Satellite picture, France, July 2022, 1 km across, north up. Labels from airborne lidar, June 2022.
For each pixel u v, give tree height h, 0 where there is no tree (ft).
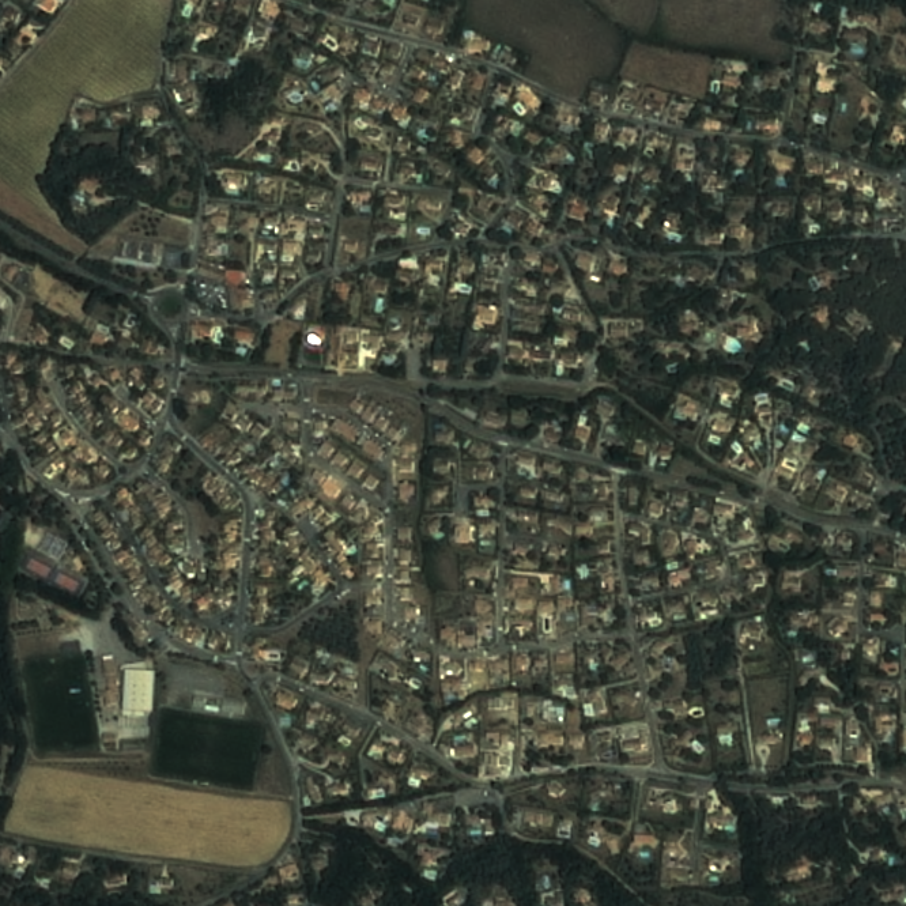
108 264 23
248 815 0
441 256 31
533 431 44
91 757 0
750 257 29
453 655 0
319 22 31
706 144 31
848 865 26
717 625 39
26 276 0
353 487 0
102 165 38
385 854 36
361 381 0
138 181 28
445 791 20
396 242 29
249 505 0
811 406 31
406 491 0
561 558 22
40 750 0
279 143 28
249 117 30
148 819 0
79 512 0
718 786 41
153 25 0
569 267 23
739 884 25
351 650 32
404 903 55
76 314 0
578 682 28
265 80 31
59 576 0
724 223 35
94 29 0
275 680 0
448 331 19
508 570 19
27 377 31
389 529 0
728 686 36
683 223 38
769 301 32
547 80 0
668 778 0
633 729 0
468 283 38
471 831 0
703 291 31
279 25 19
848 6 36
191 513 0
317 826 39
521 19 0
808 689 28
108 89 0
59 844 0
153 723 0
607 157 32
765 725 0
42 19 43
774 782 30
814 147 23
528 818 0
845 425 39
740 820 26
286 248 0
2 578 65
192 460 50
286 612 27
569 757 18
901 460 25
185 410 43
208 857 0
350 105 35
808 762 32
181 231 0
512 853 22
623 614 37
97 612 34
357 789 30
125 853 0
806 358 32
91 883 38
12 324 0
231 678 0
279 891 34
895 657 25
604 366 27
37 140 0
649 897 30
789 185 34
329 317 43
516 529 21
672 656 29
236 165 19
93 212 30
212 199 38
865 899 44
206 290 0
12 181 0
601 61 0
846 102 0
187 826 0
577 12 0
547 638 0
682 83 0
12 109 0
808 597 22
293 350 20
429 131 28
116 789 0
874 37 38
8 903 29
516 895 43
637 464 31
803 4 18
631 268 34
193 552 0
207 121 23
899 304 39
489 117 34
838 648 24
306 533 0
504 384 0
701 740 34
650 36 18
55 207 36
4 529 77
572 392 0
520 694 29
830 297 39
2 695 39
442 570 0
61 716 0
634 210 36
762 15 0
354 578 21
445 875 23
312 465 0
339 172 38
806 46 38
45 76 0
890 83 34
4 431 0
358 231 0
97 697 20
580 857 25
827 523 0
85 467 18
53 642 0
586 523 26
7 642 52
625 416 34
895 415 36
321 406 0
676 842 0
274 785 0
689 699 39
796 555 22
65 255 32
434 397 51
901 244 21
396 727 0
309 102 26
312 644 27
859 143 23
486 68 23
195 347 35
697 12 0
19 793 0
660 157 33
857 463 21
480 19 0
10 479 69
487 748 0
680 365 33
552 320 32
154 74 0
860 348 37
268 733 0
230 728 0
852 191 31
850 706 33
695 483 35
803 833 42
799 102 0
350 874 34
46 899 29
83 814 0
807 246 37
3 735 43
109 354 36
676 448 19
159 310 0
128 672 0
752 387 34
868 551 25
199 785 0
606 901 39
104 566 30
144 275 23
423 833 0
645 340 26
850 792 38
